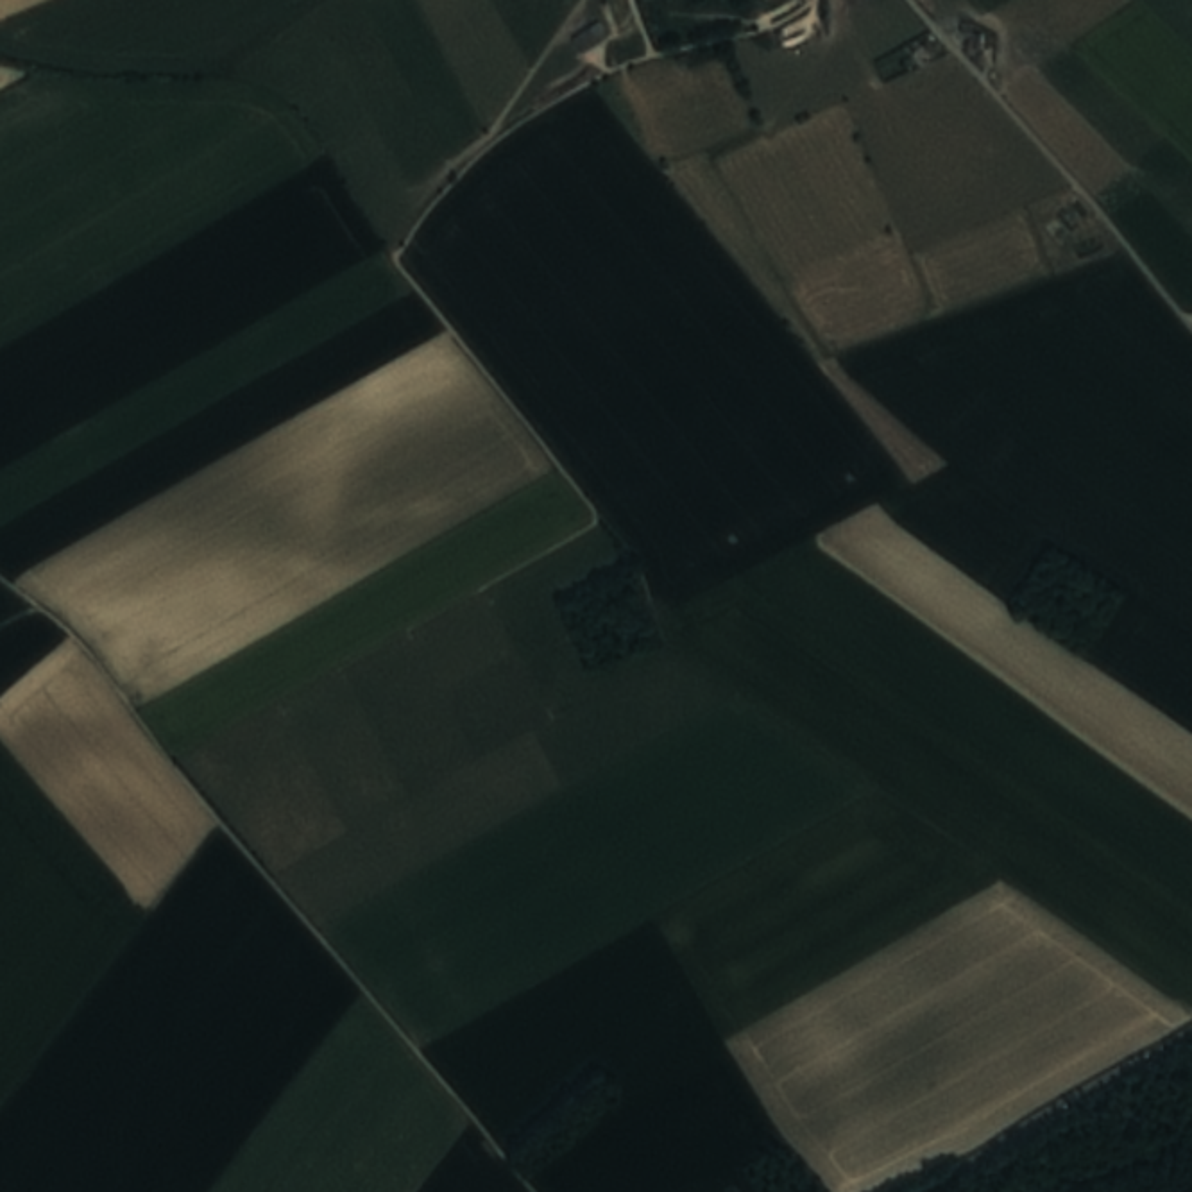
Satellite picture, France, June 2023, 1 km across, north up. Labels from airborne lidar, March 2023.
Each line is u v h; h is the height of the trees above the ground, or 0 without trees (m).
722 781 0
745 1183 0
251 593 0
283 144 0
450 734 0
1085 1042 0
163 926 0
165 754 0
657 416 0
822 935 0
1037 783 0
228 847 0
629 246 0
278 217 0
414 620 0
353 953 0
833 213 0
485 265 0
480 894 0
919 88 0
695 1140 0
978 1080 0
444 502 0
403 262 0
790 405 0
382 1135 0
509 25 0
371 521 0
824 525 0
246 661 0
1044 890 0
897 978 0
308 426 0
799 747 0
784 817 0
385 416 0
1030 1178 18
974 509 0
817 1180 7
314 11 0
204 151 0
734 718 0
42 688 0
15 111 0
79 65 0
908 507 0
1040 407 0
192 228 0
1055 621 15
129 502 0
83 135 0
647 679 0
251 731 0
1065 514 0
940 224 0
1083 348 0
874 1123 0
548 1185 0
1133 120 0
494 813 0
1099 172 0
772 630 0
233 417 0
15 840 0
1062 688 0
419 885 0
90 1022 0
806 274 0
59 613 0
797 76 0
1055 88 0
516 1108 0
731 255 0
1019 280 0
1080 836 0
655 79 0
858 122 0
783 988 0
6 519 0
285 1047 0
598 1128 0
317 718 0
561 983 0
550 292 0
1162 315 0
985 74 0
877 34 0
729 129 0
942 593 0
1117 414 0
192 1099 0
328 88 0
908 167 0
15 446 0
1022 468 0
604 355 0
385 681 0
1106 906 0
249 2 0
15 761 0
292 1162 0
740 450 0
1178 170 0
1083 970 0
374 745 0
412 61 0
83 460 0
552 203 0
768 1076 0
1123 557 0
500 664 0
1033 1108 0
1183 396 0
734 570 0
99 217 0
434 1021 0
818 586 0
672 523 0
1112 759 0
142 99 0
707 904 0
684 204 0
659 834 0
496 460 0
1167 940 0
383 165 0
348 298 0
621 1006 0
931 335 0
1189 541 0
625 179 0
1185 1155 18
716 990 0
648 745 0
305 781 0
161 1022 0
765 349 0
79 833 0
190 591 0
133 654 0
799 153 0
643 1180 0
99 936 0
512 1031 0
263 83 0
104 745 0
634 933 0
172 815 0
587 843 0
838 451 0
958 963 0
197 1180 0
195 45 0
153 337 0
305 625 0
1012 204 0
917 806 0
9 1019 0
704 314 0
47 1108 0
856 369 0
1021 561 0
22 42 0
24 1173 0
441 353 0
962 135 0
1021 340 0
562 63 0
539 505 0
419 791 0
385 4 0
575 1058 0
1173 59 0
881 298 0
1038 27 0
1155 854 0
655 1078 0
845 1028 0
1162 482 0
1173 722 0
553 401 0
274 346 0
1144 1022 0
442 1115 0
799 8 0
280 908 0
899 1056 0
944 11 0
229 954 0
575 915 0
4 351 0
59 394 0
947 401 0
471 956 0
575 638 7
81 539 0
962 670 0
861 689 0
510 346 0
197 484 0
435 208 0
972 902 0
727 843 0
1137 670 0
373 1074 0
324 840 0
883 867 0
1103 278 0
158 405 0
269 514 0
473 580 0
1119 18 0
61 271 0
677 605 0
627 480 0
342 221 0
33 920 0
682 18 0
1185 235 0
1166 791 0
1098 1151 8
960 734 0
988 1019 0
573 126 0
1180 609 0
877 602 0
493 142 0
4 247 0
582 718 0
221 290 0
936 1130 0
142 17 0
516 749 0
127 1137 0
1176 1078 20
